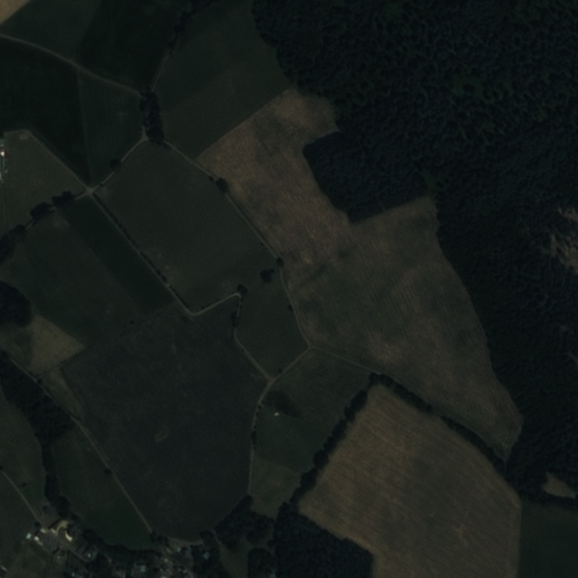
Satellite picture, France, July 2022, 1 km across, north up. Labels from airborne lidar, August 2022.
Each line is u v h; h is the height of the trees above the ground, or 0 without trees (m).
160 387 0
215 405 0
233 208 0
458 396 0
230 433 0
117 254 0
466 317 0
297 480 0
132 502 0
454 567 0
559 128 19
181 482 0
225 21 0
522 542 0
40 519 0
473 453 0
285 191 0
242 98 0
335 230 0
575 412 27
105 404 0
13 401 20
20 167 0
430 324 0
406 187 29
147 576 6
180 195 0
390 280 0
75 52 0
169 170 0
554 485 0
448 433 0
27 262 0
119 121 0
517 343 29
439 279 0
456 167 20
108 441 0
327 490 0
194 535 0
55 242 0
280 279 0
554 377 27
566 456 18
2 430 0
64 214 0
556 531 0
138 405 0
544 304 9
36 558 0
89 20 0
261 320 0
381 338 0
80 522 12
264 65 0
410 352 0
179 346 0
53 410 17
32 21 0
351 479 0
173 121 0
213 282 0
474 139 10
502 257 29
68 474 0
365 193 32
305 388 0
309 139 0
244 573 0
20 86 0
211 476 0
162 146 7
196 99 0
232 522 14
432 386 0
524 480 19
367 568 28
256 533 17
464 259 24
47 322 0
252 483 0
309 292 0
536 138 32
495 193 31
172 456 0
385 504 0
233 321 10
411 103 20
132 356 0
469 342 0
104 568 20
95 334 0
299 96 0
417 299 0
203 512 0
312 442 0
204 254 0
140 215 0
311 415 0
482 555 0
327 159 20
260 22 13
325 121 0
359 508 0
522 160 34
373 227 0
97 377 0
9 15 0
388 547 0
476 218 25
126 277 0
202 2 17
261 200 0
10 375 13
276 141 0
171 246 0
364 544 0
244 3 0
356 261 0
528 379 28
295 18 29
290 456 0
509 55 9
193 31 0
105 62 0
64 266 0
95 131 0
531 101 23
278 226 0
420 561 0
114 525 0
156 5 0
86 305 0
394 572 0
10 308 23
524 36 16
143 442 0
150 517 0
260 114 0
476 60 25
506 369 26
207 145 0
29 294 0
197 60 0
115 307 0
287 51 13
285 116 0
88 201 0
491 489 0
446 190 22
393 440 0
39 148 0
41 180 0
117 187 0
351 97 14
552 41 20
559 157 14
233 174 0
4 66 0
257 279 0
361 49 7
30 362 0
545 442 21
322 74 17
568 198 23
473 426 0
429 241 0
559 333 23
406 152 11
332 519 0
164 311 0
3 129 0
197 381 0
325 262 0
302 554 26
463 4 24
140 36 0
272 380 0
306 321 0
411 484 0
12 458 0
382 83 6
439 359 0
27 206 0
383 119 26
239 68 0
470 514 0
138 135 0
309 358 0
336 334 0
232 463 0
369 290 0
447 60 25
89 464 0
